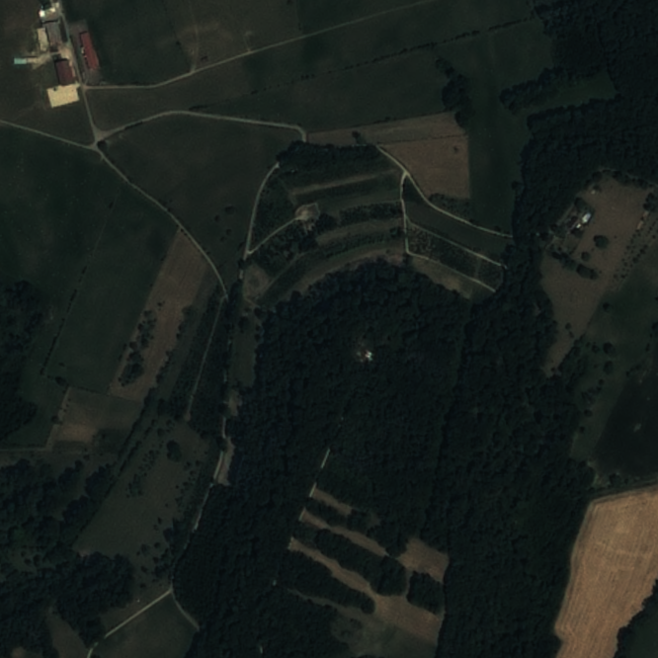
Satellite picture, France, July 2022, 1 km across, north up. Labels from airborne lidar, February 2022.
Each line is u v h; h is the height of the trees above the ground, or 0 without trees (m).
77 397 0
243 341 0
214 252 0
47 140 0
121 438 0
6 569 14
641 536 0
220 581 15
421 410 26
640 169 21
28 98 0
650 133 15
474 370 25
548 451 26
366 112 0
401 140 0
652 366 0
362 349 0
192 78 0
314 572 16
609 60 18
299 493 14
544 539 6
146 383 0
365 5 0
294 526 14
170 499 0
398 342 0
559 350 0
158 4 0
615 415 0
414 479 21
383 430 14
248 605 16
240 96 0
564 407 25
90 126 0
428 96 0
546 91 23
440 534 11
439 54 0
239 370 0
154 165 0
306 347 26
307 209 0
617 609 0
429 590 19
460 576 21
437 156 0
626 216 0
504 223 0
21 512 27
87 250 0
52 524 24
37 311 26
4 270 0
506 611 23
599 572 0
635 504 0
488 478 15
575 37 8
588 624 0
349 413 15
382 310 26
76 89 0
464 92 14
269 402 18
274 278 0
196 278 0
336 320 30
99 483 24
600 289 0
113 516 0
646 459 0
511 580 23
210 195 0
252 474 20
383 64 0
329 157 18
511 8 0
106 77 0
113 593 24
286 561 15
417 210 0
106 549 0
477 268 0
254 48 0
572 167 27
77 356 0
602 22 21
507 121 0
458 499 23
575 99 0
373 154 17
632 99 18
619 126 12
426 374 22
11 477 30
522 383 30
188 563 9
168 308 0
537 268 11
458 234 0
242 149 0
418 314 25
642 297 0
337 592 18
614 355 18
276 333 25
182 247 0
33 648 13
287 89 0
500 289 9
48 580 16
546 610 24
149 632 0
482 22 0
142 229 0
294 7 0
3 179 0
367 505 6
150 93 0
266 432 20
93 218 0
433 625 0
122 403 0
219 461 0
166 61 0
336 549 10
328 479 7
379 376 19
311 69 0
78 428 0
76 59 0
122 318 0
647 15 29
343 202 0
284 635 14
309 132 0
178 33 0
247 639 17
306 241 12
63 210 0
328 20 0
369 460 9
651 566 0
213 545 11
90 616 24
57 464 0
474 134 0
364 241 5
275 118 0
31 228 0
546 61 0
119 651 0
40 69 0
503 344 31
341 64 0
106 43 0
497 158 0
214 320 0
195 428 9
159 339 0
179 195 0
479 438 22
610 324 0
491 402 29
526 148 0
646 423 0
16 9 0
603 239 15
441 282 0
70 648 0
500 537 20
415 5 0
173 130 0
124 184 0
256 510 20
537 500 6
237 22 0
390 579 21
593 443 0
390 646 0
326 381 21
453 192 0
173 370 0
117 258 0
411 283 22
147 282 0
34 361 0
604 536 0
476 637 20
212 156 0
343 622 0
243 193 0
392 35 0
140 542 0
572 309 0
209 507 10
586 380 0
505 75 0
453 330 34
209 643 20
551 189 19
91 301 0
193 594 10
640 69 25
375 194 0
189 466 9
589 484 12
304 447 14
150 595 0
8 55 0
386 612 0
